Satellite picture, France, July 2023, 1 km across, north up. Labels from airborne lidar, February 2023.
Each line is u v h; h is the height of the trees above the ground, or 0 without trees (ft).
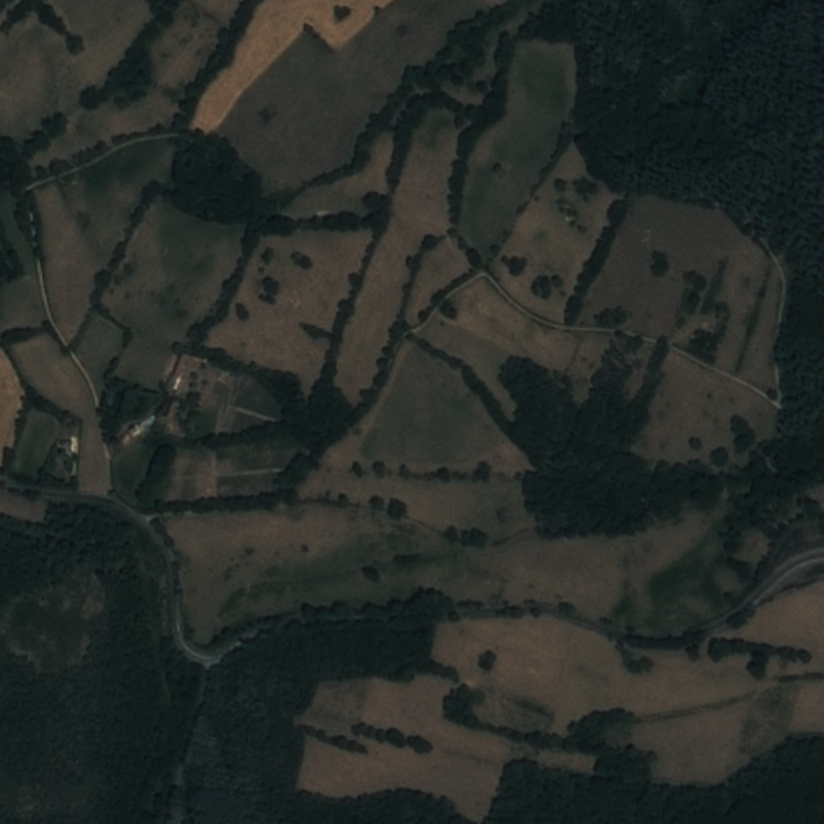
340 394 53
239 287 36
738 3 91
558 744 38
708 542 0
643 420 43
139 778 64
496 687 0
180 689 67
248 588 0
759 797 55
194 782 34
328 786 0
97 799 28
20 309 0
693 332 0
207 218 34
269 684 43
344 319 43
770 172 79
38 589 61
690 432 0
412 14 0
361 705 0
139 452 0
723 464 36
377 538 0
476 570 0
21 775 23
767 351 0
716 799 62
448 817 57
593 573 0
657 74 75
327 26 0
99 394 0
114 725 55
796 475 22
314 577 0
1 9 40
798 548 0
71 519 67
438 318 0
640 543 0
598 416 63
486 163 0
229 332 0
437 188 0
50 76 0
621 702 0
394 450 0
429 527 0
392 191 33
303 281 0
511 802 53
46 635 0
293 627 49
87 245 0
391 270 0
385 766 0
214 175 61
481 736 0
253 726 19
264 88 0
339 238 0
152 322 0
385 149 0
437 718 0
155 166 0
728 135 71
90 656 28
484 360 0
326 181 42
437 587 0
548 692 0
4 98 0
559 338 0
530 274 0
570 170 0
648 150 64
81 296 0
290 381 31
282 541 0
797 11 85
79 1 0
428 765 0
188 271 0
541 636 0
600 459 37
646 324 0
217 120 0
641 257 0
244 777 20
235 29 34
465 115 41
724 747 0
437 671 45
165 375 0
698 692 0
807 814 61
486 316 0
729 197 82
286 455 0
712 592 0
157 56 0
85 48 45
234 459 0
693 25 64
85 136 0
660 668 0
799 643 0
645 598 0
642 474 45
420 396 0
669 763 0
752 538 0
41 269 0
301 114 0
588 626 0
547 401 32
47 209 0
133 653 31
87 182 0
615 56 54
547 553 0
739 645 51
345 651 56
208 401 0
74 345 20
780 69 70
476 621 0
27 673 33
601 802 64
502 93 61
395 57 0
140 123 0
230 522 0
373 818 32
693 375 0
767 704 0
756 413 0
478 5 0
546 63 0
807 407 51
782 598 0
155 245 0
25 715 40
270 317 0
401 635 35
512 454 0
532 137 0
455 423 0
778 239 46
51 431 0
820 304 59
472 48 50
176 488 0
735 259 0
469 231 0
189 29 0
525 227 0
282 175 0
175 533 0
